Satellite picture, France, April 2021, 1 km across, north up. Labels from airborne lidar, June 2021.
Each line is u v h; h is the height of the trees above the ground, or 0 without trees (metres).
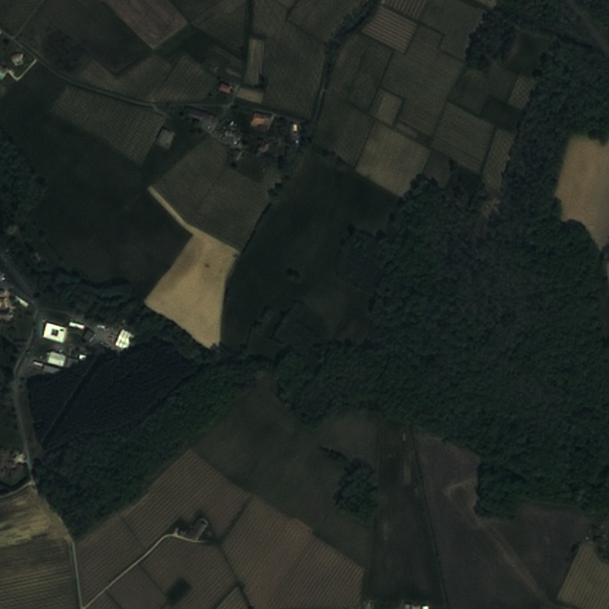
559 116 26
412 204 19
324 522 0
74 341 0
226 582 0
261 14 0
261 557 0
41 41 0
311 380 14
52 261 0
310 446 0
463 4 0
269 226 0
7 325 10
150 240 0
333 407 19
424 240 24
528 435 23
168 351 16
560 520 0
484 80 0
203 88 0
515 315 23
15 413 9
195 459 0
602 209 0
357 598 0
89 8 0
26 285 0
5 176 19
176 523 0
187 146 0
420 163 0
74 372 15
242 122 0
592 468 27
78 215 0
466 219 11
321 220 0
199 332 0
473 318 21
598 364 26
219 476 0
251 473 0
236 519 0
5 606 0
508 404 23
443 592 0
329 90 0
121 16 0
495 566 0
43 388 16
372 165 0
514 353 15
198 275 0
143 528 0
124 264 0
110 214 0
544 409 21
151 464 23
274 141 21
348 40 15
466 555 0
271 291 0
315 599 0
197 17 0
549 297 21
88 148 0
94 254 0
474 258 23
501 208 7
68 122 0
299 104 0
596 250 21
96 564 0
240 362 14
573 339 23
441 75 0
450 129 0
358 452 0
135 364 17
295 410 14
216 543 0
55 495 20
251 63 0
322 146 0
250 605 0
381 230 0
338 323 0
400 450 0
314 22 0
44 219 0
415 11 0
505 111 0
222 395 24
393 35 0
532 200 20
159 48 0
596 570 0
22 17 0
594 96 26
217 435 0
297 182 0
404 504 0
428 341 24
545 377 19
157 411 23
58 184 0
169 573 0
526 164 20
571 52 20
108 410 15
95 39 0
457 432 18
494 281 16
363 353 14
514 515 13
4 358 0
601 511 17
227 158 0
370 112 0
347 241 9
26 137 0
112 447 22
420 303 24
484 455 15
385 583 0
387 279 19
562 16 16
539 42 0
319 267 0
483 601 0
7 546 0
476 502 0
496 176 0
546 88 17
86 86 0
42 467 18
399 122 0
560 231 23
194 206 0
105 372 17
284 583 0
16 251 13
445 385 24
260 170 0
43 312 0
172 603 0
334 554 0
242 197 0
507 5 8
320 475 0
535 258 16
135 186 0
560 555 0
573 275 24
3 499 0
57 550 0
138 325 17
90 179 0
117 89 0
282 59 0
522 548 0
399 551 0
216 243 0
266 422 0
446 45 0
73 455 20
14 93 0
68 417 16
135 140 0
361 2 0
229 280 0
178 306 0
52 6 0
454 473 0
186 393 24
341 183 0
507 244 20
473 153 0
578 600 0
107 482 23
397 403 24
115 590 0
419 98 0
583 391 19
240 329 0
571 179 0
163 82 0
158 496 0
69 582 0
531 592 0
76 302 17
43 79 0
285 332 14
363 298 0
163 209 0
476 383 24
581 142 0
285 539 0
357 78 0
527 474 24
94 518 18
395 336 23
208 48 0
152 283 0
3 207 13
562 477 25
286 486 0
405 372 26
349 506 21
